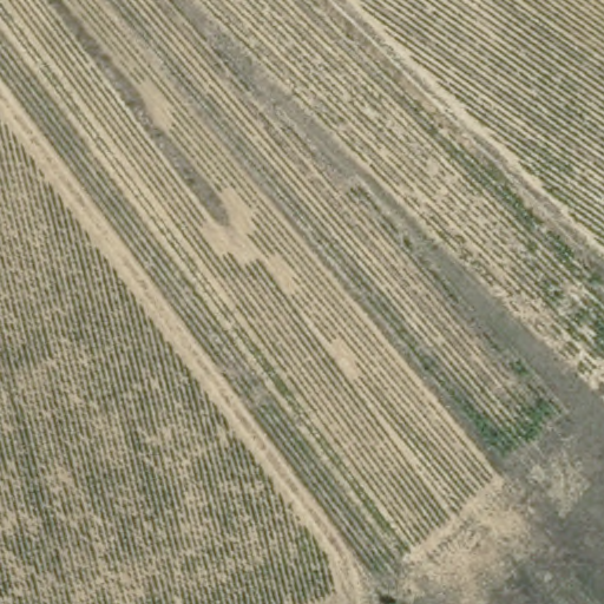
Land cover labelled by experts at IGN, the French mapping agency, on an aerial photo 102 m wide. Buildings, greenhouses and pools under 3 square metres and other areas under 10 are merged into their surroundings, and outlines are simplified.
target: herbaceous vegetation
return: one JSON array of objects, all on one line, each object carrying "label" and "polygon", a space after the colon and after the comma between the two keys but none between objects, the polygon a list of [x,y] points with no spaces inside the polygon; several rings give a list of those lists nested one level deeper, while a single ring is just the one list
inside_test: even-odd
[{"label": "herbaceous vegetation", "polygon": [[545,538],[540,552],[521,559],[517,578],[498,583],[488,592],[486,604],[604,604],[604,448],[597,458],[602,462],[599,472],[592,472],[587,477],[587,488],[571,505],[571,512],[566,517],[559,514],[557,500],[552,498],[547,498],[545,503],[538,500],[533,505],[540,514],[540,521],[533,529]]}]

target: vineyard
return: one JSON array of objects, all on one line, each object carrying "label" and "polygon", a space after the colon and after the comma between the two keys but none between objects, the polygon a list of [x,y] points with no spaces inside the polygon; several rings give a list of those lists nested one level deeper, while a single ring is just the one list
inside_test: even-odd
[{"label": "vineyard", "polygon": [[571,512],[571,505],[587,488],[587,477],[592,472],[599,472],[602,462],[597,458],[604,448],[604,0],[0,0],[0,604],[486,604],[488,592],[498,583],[517,578],[521,559],[540,552],[545,538],[533,529],[540,521],[540,514],[533,505],[538,500],[545,503],[547,498],[552,498],[557,500],[559,514],[566,517]]}]

